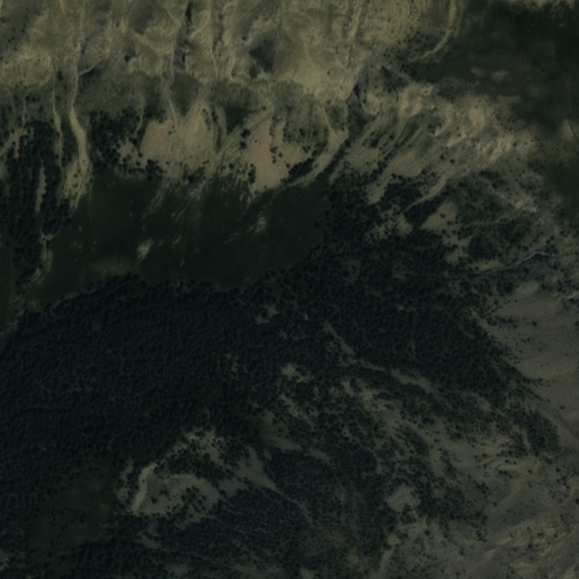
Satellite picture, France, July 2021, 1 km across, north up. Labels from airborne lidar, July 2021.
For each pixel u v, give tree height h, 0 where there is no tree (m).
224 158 0
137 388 17
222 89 0
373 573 0
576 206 0
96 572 12
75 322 16
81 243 0
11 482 20
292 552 8
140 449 16
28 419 20
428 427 0
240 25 0
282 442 0
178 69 0
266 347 12
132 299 11
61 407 16
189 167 0
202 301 17
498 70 0
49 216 18
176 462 10
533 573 0
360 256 12
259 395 10
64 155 7
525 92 0
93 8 0
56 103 0
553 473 0
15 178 17
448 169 0
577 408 0
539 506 0
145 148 0
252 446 9
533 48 0
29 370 19
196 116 0
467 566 0
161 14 0
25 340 20
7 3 0
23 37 0
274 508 6
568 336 0
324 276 14
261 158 0
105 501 0
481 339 12
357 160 0
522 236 6
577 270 0
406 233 0
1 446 19
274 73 0
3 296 0
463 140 0
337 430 8
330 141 0
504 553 0
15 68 0
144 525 9
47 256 0
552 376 0
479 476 0
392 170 0
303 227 0
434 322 15
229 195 0
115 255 0
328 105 0
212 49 0
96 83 0
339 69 0
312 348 12
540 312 0
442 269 13
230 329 17
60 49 0
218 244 0
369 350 13
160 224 0
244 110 0
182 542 9
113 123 13
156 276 0
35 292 0
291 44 0
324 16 0
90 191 0
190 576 8
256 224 0
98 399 19
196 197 0
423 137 0
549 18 0
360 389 9
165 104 0
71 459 14
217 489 7
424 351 8
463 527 0
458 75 0
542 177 0
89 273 0
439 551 0
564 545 0
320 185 0
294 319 12
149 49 0
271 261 0
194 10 0
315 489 6
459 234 8
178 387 15
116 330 19
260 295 13
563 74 0
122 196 0
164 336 16
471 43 0
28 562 13
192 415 15
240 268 0
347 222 13
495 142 0
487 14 0
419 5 0
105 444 12
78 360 17
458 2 0
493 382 9
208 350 12
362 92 0
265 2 0
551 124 0
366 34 0
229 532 8
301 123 0
